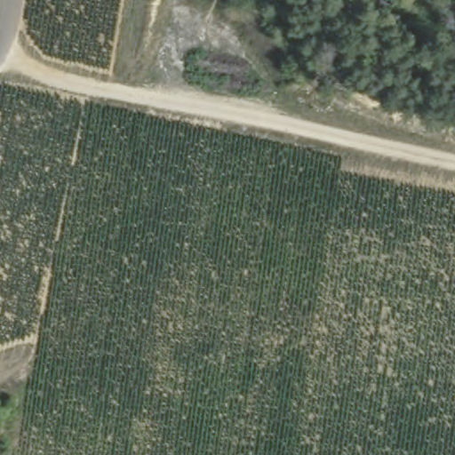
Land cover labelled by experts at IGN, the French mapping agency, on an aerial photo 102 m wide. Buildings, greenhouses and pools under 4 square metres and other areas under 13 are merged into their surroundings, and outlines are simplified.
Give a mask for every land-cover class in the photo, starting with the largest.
<instances>
[{"label":"vineyard","instance_id":"1","mask_svg":"<svg viewBox=\"0 0 455 455\"><path fill-rule=\"evenodd\" d=\"M126 0H27L23 14L27 27L21 30L20 41L23 52L43 66L64 71L69 75L117 84L114 68ZM36 334V357L32 363V370L25 380L23 402L18 405L20 416L16 423V439L12 443L11 453H5L0 439V455H455V167L443 169L434 165L416 164L268 128L227 123L217 117L185 114L128 101L91 98L85 92L55 89L16 71L0 73V343Z\"/></svg>","mask_w":455,"mask_h":455},{"label":"herbaceous vegetation","instance_id":"2","mask_svg":"<svg viewBox=\"0 0 455 455\"><path fill-rule=\"evenodd\" d=\"M219 0H126L114 68L117 84L146 89H155L158 85L165 91L187 89L190 85L212 96L258 98L283 112L284 116L299 117L311 123L364 133L380 139L398 140L405 144L455 155V128H446L443 123H434L427 128L421 124L418 116L411 119L400 112H386L380 107L379 101L371 100L366 94L352 92L339 82L334 85L332 96L316 92V82L306 80L302 75L297 76L295 84L275 87L274 82L281 78V73L272 68L270 60L267 59V52L275 46H283L281 30L275 28L274 37H265L256 30L254 18L258 9L252 2H245L240 9L227 7L217 11L215 7ZM36 334L0 343V384L7 379L25 380L32 370V363L36 357Z\"/></svg>","mask_w":455,"mask_h":455},{"label":"coniferous trees","instance_id":"3","mask_svg":"<svg viewBox=\"0 0 455 455\"><path fill-rule=\"evenodd\" d=\"M245 2H252L258 9L254 18L256 30L265 37H274L275 28L281 30L283 46H275L267 52V59L270 60L272 68L281 73V78L274 82L275 87L295 84L297 76L302 75L306 80L316 82V92L332 96L334 85L339 82L352 92L366 94L371 100L379 101L380 107L386 112H400L411 119L418 116L421 124L427 128L434 123H443L446 128H455V0H219L215 7L217 11L227 7L240 9Z\"/></svg>","mask_w":455,"mask_h":455},{"label":"pervious surface","instance_id":"4","mask_svg":"<svg viewBox=\"0 0 455 455\"><path fill-rule=\"evenodd\" d=\"M16 71L55 89L85 92L91 98L128 101L185 114L217 117L227 123L268 128L416 164L434 165L443 169L455 167V155L405 144L398 140L380 139L364 133L311 123L299 117L284 116L283 112L258 98L212 96L190 85L187 89L165 91L158 85L155 89H146L117 84L69 75L64 71L43 66L23 52L20 41H12L9 52L5 53L4 60L0 62V73Z\"/></svg>","mask_w":455,"mask_h":455},{"label":"brushwood","instance_id":"5","mask_svg":"<svg viewBox=\"0 0 455 455\"><path fill-rule=\"evenodd\" d=\"M25 380L7 379L0 384V439L5 453H11L12 443L16 439V423L20 416L18 405L23 402Z\"/></svg>","mask_w":455,"mask_h":455},{"label":"impervious surface","instance_id":"6","mask_svg":"<svg viewBox=\"0 0 455 455\"><path fill-rule=\"evenodd\" d=\"M27 0H0V62L4 60L5 53L9 52L12 41H20L21 30L27 27L23 14Z\"/></svg>","mask_w":455,"mask_h":455}]
</instances>
